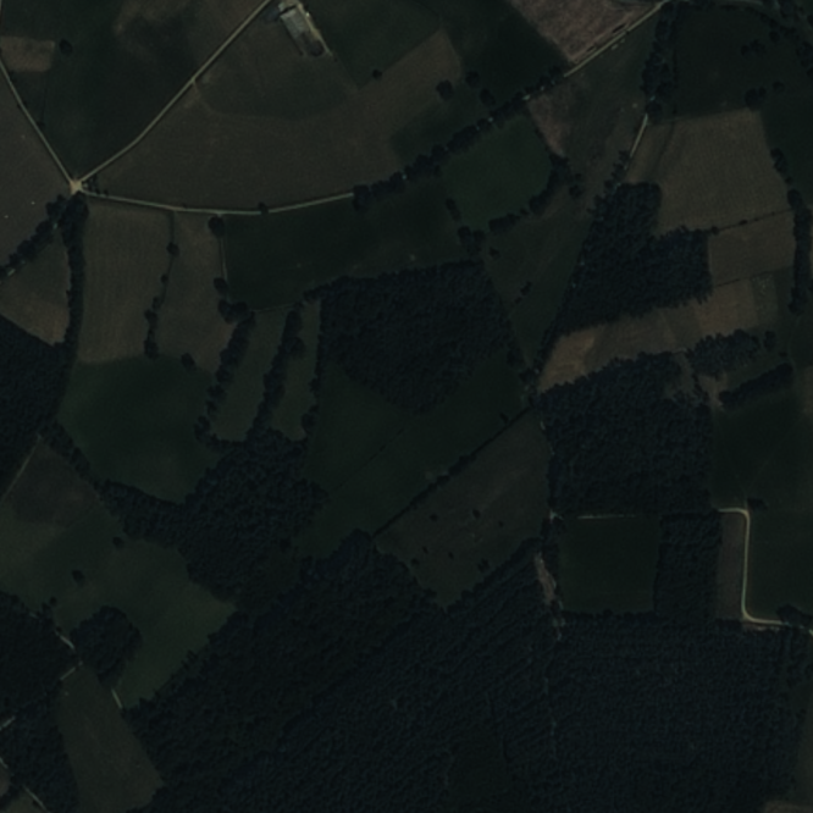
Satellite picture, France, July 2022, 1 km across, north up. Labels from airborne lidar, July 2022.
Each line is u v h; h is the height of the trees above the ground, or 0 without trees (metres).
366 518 0
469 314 22
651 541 0
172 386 0
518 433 0
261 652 22
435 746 25
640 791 23
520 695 17
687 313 0
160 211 0
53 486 0
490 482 0
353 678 23
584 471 19
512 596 13
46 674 19
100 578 0
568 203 0
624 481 19
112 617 23
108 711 0
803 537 0
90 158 0
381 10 0
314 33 0
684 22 11
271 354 0
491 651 16
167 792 15
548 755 16
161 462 0
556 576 17
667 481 19
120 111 0
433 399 21
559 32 0
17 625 17
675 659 19
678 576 17
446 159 17
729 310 0
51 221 9
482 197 0
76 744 0
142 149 0
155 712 7
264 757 28
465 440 0
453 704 25
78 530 0
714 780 18
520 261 0
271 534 16
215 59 0
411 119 0
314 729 24
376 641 13
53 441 21
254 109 0
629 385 25
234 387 0
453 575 0
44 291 0
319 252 0
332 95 0
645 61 0
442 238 0
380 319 17
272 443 26
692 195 0
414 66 0
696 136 0
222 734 12
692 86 0
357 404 0
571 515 11
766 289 0
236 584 25
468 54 0
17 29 0
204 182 0
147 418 0
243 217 0
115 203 0
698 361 16
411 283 20
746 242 0
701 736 21
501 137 0
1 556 0
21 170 0
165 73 0
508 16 0
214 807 21
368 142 0
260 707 20
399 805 25
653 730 20
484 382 0
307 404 0
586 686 19
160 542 18
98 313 0
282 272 0
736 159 0
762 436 0
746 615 0
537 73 0
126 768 0
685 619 18
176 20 0
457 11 0
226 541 21
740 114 0
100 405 0
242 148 0
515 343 12
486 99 19
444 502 0
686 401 22
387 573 23
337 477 0
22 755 17
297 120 0
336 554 0
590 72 0
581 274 14
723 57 0
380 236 0
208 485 18
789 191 0
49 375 20
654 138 0
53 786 24
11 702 14
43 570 0
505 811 8
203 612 0
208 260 0
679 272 27
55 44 0
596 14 0
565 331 12
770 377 15
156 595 0
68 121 0
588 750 20
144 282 0
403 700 21
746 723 21
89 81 0
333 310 20
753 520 0
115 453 0
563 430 28
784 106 0
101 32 0
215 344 0
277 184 0
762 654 22
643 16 0
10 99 0
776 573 0
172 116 0
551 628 15
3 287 0
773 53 0
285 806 18
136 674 0
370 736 18
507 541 0
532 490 0
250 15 0
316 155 0
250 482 9
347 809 25
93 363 0
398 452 0
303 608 21
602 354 0
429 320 19
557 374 0
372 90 0
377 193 19
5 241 0
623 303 19
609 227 21
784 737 22
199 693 24
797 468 0
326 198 0
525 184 0
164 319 0
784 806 0
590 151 0
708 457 17
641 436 24
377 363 18
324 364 19
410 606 16
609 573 0
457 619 18
